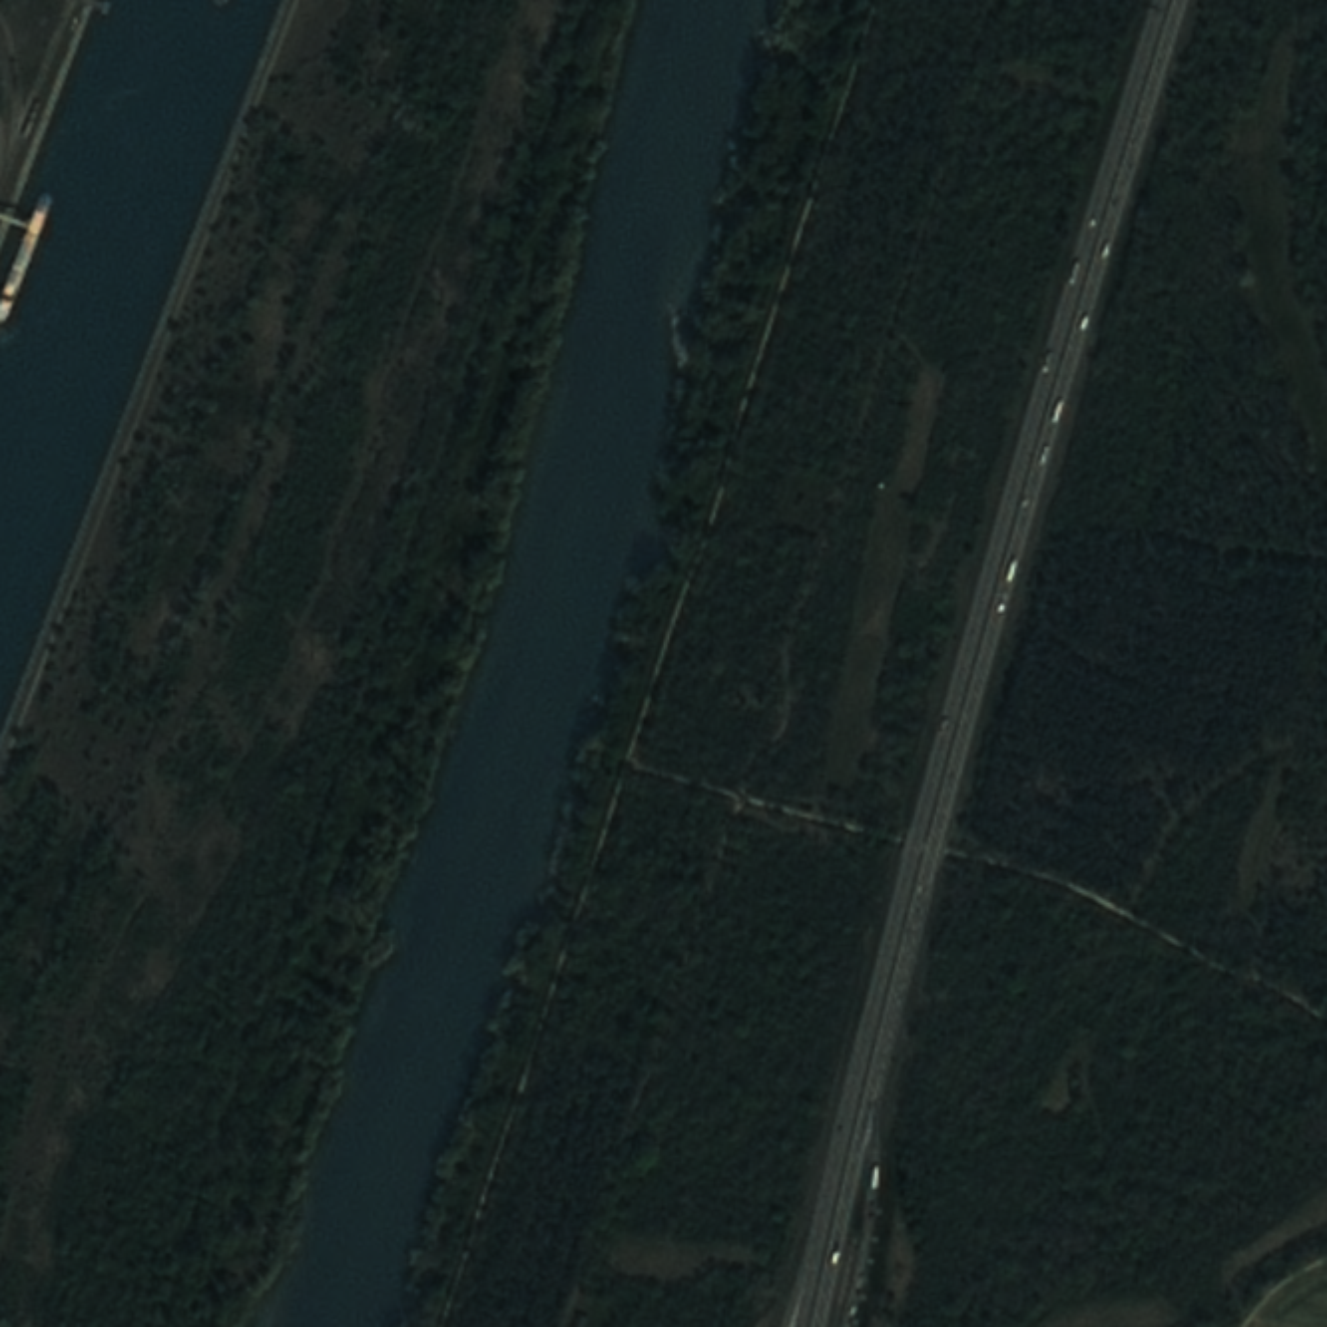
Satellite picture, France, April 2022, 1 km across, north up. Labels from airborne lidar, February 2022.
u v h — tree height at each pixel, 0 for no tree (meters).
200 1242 19
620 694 29
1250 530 13
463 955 0
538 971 26
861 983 0
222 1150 22
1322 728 12
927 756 0
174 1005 6
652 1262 0
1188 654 17
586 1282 13
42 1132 0
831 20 26
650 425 0
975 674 0
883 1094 0
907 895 0
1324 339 9
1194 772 16
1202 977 12
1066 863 17
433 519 17
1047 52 16
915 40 17
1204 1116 9
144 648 0
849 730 0
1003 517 0
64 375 0
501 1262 16
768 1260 10
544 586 0
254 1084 16
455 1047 0
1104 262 0
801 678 13
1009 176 13
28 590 0
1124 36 12
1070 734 14
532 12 0
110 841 14
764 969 15
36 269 0
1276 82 0
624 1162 12
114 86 0
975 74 17
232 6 0
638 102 0
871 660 0
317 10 0
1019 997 6
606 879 17
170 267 0
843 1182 0
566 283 11
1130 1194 13
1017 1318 11
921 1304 6
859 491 12
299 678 0
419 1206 0
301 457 6
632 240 0
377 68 0
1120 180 0
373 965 9
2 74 0
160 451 15
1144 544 15
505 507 15
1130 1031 9
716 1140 6
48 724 0
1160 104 0
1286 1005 18
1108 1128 12
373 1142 0
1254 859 0
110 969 0
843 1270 0
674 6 0
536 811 0
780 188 9
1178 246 11
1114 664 16
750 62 0
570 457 0
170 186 0
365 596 11
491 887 0
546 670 0
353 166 0
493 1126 14
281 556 7
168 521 16
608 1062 15
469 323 17
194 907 0
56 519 0
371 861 18
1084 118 17
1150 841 18
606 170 0
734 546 15
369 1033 0
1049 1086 15
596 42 27
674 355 0
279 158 16
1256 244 0
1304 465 17
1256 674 16
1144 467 12
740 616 8
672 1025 14
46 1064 0
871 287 9
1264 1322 0
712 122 0
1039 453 0
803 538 15
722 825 12
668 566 26
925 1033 8
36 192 0
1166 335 7
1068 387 0
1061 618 15
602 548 0
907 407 12
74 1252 9
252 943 12
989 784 10
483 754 0
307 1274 0
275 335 0
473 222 0
